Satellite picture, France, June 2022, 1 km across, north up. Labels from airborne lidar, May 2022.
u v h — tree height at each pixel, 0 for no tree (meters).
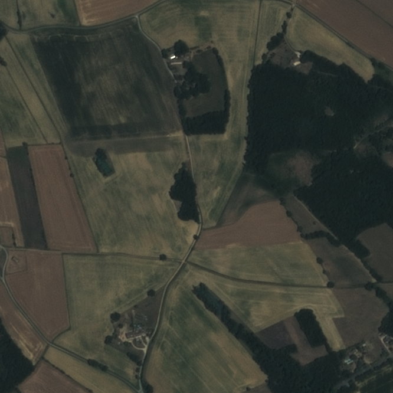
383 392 0
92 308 0
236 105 0
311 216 0
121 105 0
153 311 0
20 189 0
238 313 0
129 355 10
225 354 0
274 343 0
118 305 0
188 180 15
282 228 0
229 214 0
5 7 0
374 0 0
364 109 16
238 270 0
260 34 0
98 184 0
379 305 0
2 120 0
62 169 0
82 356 0
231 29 0
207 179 0
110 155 0
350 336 0
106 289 0
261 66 14
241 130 0
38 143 0
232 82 0
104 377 0
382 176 17
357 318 0
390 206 19
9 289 0
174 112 0
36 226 0
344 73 13
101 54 0
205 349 0
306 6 0
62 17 0
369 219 14
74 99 0
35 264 0
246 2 0
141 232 0
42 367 0
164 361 0
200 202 0
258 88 16
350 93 12
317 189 17
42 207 0
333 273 0
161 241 0
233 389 0
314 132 8
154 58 0
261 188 0
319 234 16
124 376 0
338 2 0
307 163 0
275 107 15
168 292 0
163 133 0
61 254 0
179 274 0
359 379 16
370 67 0
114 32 0
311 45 0
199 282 0
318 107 7
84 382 0
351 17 0
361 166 13
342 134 13
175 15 0
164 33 0
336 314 0
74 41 0
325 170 8
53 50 0
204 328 0
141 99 0
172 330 0
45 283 0
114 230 0
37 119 0
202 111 0
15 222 0
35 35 0
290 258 0
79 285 0
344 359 13
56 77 0
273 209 0
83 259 0
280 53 0
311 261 0
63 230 0
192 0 0
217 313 23
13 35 0
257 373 0
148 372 0
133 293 0
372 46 0
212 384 0
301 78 15
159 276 0
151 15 0
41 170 0
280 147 15
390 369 0
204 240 0
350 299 0
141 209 0
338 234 15
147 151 0
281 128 14
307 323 13
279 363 23
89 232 0
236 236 0
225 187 0
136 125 0
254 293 0
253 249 0
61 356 0
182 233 0
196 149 0
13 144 0
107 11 0
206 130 15
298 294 0
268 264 0
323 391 11
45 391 0
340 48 0
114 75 0
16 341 0
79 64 0
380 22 0
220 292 0
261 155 12
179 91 14
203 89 19
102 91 0
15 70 0
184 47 20
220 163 0
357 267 0
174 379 0
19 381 16
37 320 0
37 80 0
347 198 21
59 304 0
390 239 0
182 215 12
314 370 13
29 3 0
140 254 0
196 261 0
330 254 0
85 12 0
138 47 0
